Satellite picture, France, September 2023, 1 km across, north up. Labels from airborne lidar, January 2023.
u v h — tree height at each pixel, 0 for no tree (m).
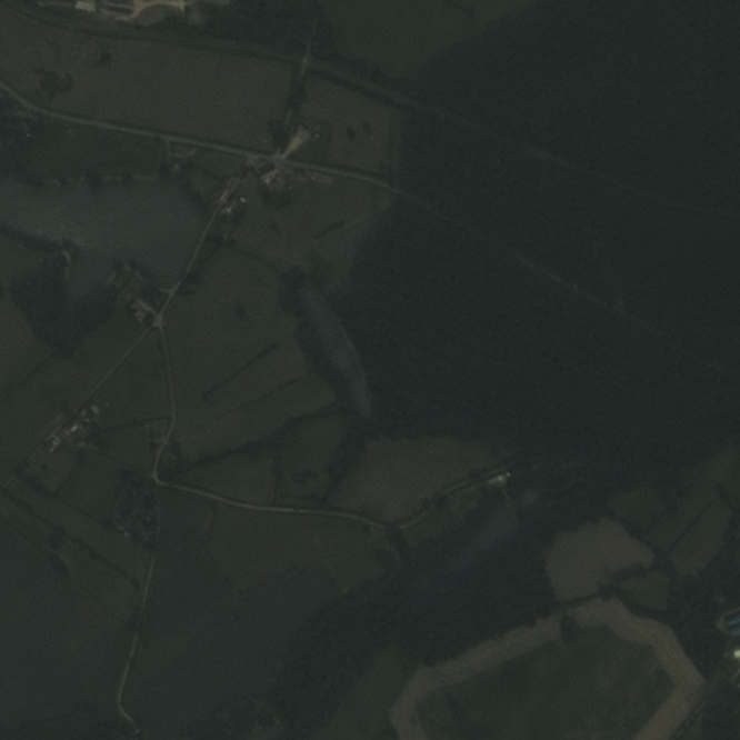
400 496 0
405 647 17
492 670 0
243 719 21
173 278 0
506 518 0
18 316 0
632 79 21
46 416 0
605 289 21
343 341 0
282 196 0
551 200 21
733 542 17
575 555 0
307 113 0
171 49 0
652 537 0
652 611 6
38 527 0
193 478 0
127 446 0
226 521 0
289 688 17
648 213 15
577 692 0
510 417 23
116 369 0
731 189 14
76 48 0
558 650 0
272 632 0
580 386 16
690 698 0
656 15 23
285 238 0
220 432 0
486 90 19
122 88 0
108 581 0
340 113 0
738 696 7
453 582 21
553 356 22
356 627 12
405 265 22
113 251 0
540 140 21
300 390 0
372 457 0
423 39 0
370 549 0
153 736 0
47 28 0
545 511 24
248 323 0
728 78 22
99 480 0
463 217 22
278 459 12
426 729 0
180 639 0
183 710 0
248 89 0
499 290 22
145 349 0
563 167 11
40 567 0
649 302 18
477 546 0
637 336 20
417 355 16
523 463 17
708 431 23
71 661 0
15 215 0
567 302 18
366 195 0
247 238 0
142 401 0
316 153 0
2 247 0
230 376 0
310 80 0
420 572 8
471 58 17
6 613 0
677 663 0
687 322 23
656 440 16
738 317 21
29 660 0
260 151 0
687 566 0
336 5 0
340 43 0
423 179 25
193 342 0
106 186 0
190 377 0
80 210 0
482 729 0
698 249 16
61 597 0
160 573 0
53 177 0
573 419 7
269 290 0
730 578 17
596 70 22
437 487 0
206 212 10
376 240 17
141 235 0
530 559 10
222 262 0
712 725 16
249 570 0
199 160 0
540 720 0
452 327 20
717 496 17
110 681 0
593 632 0
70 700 0
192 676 0
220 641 0
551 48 17
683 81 21
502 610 8
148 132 0
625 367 22
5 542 0
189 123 0
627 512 0
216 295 0
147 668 0
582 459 13
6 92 8
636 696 0
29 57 0
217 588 0
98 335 0
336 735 0
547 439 19
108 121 0
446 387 24
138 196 0
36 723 7
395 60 0
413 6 0
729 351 21
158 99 0
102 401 0
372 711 0
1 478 0
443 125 24
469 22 0
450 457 0
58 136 0
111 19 0
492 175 26
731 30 22
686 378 15
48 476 0
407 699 0
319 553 0
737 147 16
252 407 0
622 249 13
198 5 0
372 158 0
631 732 0
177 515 0
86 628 0
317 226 0
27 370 0
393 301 21
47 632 0
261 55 0
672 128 16
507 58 19
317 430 0
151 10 0
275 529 0
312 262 0
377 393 10
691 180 16
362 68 17
